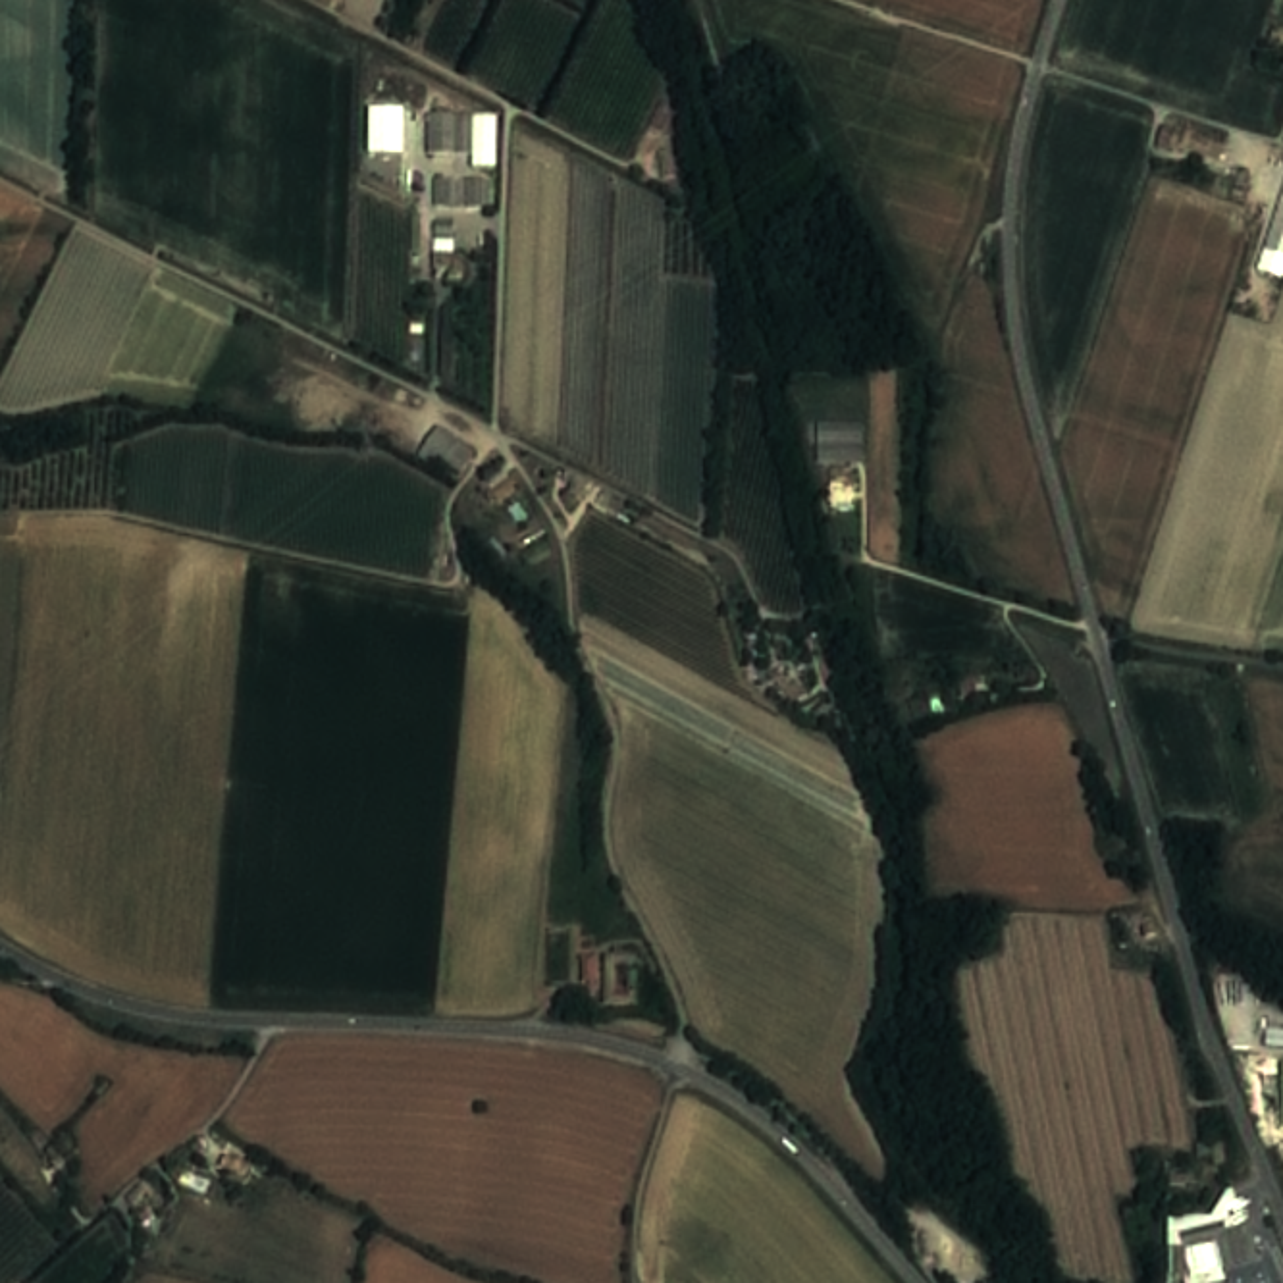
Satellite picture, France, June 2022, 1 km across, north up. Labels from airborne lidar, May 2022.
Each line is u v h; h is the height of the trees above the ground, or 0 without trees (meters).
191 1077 0
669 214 10
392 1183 0
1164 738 0
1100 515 0
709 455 7
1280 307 0
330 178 0
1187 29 0
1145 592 0
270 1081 0
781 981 0
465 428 0
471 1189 0
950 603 0
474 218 0
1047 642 0
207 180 0
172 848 0
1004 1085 0
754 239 8
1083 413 0
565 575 0
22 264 0
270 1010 0
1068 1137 0
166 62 0
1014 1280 23
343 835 0
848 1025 0
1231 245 0
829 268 26
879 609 0
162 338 0
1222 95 0
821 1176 0
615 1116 0
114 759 0
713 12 0
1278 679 0
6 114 0
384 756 0
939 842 0
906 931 26
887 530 0
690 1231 0
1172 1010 16
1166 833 12
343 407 0
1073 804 0
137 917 0
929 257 0
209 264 0
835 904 0
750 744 0
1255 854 0
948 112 0
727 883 0
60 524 0
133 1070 0
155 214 0
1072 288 0
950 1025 16
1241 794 0
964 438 0
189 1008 0
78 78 15
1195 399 0
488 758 0
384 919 0
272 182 0
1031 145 0
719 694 0
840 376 18
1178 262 0
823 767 0
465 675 0
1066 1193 0
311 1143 0
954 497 0
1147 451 0
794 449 12
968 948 18
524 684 0
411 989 0
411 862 0
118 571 0
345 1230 0
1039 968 0
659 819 0
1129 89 0
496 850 0
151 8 0
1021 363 0
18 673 0
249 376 0
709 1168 0
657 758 0
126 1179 0
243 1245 0
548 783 0
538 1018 0
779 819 0
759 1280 0
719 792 0
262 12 0
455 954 0
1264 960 19
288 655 0
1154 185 0
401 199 0
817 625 10
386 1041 0
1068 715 0
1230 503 0
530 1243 0
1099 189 0
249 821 0
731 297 23
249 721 0
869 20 0
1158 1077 0
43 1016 0
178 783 0
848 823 0
